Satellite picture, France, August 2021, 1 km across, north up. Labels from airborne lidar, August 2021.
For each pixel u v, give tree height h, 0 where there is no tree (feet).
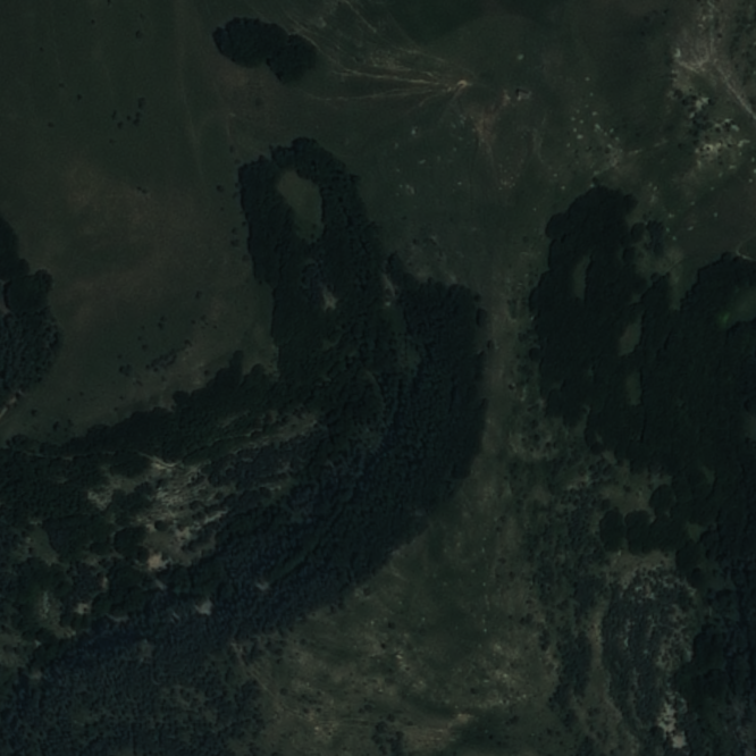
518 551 0
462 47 0
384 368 53
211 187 0
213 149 0
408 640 0
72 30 0
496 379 0
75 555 67
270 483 46
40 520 56
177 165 0
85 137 0
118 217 0
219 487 39
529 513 0
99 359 0
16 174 0
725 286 79
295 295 45
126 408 0
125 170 0
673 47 0
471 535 0
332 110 0
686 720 37
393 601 0
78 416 0
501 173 0
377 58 0
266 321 0
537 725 0
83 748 31
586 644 21
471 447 40
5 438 0
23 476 63
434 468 44
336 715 0
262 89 0
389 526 34
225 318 0
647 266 0
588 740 26
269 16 0
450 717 0
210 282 0
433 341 60
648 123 0
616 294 50
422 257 0
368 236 64
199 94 0
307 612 26
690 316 57
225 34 58
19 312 66
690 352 64
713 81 0
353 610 0
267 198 62
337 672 0
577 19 0
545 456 0
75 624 67
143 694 36
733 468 55
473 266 0
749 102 0
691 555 72
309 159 84
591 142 0
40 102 0
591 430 33
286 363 51
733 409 73
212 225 0
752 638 63
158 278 0
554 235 45
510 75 0
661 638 29
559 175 0
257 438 41
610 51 0
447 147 0
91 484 41
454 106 0
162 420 39
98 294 0
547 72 0
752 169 0
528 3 0
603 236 56
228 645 30
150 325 0
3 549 55
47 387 0
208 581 51
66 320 0
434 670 0
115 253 0
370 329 92
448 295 21
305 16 0
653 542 52
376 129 0
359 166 0
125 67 0
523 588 0
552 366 43
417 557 0
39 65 0
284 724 0
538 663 0
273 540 34
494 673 0
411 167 0
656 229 33
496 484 0
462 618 0
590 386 47
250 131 0
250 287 0
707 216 0
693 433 52
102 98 0
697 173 0
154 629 20
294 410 33
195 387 0
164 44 0
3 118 0
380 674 0
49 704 44
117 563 43
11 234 37
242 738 28
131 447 39
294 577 33
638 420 38
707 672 33
